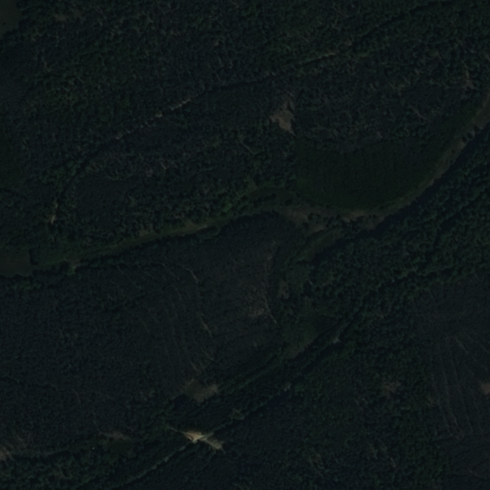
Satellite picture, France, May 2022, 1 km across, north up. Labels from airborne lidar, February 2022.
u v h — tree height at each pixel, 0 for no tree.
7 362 20
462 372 19
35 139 23
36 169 21
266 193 0
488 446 16
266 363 11
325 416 26
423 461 37
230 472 12
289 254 21
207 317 17
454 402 20
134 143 12
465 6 28
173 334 22
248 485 29
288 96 23
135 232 20
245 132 6
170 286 21
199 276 19
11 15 0
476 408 19
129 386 24
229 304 19
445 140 12
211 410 14
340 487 29
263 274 19
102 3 26
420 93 13
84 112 10
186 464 12
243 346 19
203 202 7
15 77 11
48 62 7
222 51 22
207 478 13
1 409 25
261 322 20
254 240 16
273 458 26
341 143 14
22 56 11
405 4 23
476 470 16
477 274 18
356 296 26
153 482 13
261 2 8
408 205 0
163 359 22
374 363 34
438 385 19
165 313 20
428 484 14
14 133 23
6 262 0
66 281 22
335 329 12
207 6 8
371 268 25
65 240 25
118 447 0
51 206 11
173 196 7
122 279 21
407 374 27
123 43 14
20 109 17
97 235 7
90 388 24
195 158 8
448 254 30
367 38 15
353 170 14
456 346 19
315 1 24
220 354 19
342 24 10
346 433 26
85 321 18
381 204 18
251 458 21
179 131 11
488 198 28
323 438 27
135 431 30
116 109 24
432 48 26
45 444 19
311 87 6
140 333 21
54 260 23
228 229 13
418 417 29
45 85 19
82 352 20
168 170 11
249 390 15
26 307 19
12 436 25
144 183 10
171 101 11
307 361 11
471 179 16
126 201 8
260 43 10
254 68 11
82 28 10
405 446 29
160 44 21
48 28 16
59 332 14
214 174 11
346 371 26
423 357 22
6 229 21
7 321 22
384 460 30
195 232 0
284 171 14
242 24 20
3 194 28
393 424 27
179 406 29
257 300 20
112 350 23
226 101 27
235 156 8
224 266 18
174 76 14
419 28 29
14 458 0
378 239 34
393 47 10
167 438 25
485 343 18
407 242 29
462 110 15
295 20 19
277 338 19
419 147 13
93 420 24
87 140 8
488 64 29
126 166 26
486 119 0
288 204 11
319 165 16
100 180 11
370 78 6
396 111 11
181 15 10
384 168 15
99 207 11
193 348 20
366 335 28
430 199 26
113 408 25
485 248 20
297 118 8
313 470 29
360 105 21
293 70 24
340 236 0
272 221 21
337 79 8
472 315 23
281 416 26
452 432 13
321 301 27
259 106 27
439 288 20
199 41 11
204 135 24
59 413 24
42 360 24
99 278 21
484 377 19
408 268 26
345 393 27
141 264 14
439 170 0
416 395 26
